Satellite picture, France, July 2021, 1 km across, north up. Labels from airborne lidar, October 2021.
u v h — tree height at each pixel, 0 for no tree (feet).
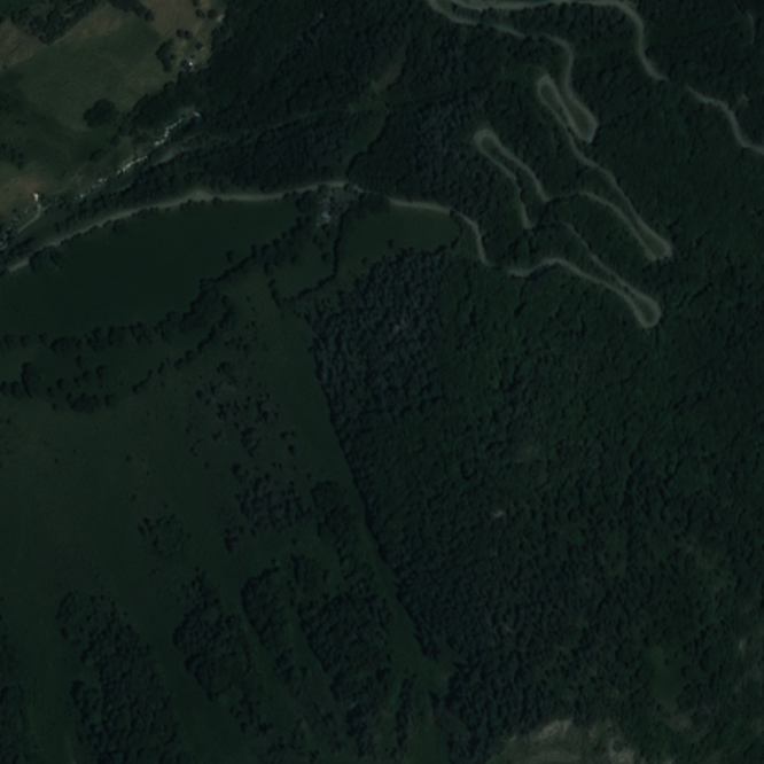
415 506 62
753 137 37
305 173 91
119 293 0
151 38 0
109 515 0
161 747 57
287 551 0
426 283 75
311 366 0
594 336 61
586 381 49
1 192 0
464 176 88
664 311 38
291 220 0
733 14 52
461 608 80
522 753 0
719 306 82
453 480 82
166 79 0
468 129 53
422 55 111
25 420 0
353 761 0
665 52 48
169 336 45
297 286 0
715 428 73
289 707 0
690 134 88
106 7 0
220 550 0
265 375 0
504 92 49
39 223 0
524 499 95
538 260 22
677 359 92
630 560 34
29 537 0
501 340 77
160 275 0
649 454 63
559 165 101
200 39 0
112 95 0
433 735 0
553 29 68
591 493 107
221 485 0
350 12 51
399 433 87
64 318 0
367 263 43
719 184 91
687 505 99
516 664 105
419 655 0
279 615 36
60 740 0
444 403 73
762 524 42
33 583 0
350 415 58
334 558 0
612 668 73
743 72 86
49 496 0
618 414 46
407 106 53
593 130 0
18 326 0
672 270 82
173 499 0
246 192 26
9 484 0
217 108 26
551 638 48
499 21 44
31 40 0
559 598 73
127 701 53
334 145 77
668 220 98
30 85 0
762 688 77
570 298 87
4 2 0
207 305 73
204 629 59
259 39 67
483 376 68
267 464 0
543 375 75
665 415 101
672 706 0
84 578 0
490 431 61
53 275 0
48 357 0
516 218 115
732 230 103
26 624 0
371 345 79
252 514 63
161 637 0
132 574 0
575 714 64
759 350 97
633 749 53
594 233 81
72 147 0
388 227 0
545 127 61
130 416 0
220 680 55
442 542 83
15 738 57
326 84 85
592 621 45
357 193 31
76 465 0
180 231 0
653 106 76
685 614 40
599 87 93
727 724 53
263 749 0
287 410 0
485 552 63
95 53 0
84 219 22
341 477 0
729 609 64
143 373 0
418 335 55
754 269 107
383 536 87
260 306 0
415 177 86
